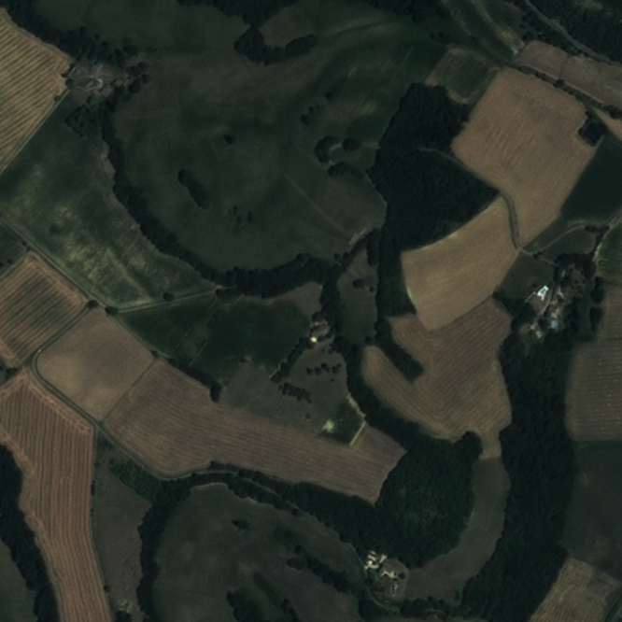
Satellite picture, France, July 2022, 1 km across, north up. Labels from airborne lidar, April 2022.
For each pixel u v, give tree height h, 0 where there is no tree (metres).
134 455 0
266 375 0
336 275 19
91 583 0
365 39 0
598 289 9
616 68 0
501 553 13
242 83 0
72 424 0
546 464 14
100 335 0
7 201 0
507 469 7
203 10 0
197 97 0
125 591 0
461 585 0
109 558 0
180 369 11
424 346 0
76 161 0
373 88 0
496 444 0
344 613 0
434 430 0
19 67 0
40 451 0
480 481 0
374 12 0
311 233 0
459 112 19
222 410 0
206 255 0
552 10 13
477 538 0
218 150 0
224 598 0
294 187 0
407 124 16
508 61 0
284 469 0
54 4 0
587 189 0
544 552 19
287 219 0
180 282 0
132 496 0
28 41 0
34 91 0
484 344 0
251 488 13
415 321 0
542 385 6
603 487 0
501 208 0
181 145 0
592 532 0
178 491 14
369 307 0
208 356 0
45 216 0
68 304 0
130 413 0
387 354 6
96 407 0
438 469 11
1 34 0
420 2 21
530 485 8
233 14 15
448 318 0
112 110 32
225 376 0
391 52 0
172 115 0
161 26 0
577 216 0
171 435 0
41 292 0
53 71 0
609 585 0
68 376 0
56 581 0
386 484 11
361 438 0
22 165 0
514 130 0
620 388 0
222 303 0
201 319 0
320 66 0
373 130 0
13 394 0
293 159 0
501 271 0
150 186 0
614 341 0
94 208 0
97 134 0
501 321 0
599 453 0
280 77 0
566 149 0
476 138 0
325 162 17
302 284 9
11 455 9
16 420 0
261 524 0
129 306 0
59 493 0
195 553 0
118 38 0
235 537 0
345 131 0
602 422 0
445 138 6
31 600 0
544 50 0
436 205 16
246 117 0
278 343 0
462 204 11
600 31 18
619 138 0
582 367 0
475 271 0
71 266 0
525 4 17
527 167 0
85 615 0
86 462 0
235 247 0
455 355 0
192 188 14
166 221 0
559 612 0
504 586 12
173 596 0
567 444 13
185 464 0
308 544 0
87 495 0
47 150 0
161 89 0
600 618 0
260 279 22
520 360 10
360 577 0
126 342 0
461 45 0
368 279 0
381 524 8
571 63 0
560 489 20
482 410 0
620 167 0
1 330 0
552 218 0
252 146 0
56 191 0
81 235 0
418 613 20
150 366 0
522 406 19
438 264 0
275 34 0
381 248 15
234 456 0
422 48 0
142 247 0
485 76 0
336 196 0
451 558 0
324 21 0
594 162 0
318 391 0
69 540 0
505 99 0
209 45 0
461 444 12
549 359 6
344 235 0
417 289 0
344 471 0
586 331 0
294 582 0
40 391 0
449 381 0
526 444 23
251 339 0
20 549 18
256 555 0
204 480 16
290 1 30
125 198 15
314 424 0
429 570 0
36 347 0
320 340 10
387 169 14
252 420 0
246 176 0
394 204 14
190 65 0
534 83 0
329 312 15
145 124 0
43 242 0
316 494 11
